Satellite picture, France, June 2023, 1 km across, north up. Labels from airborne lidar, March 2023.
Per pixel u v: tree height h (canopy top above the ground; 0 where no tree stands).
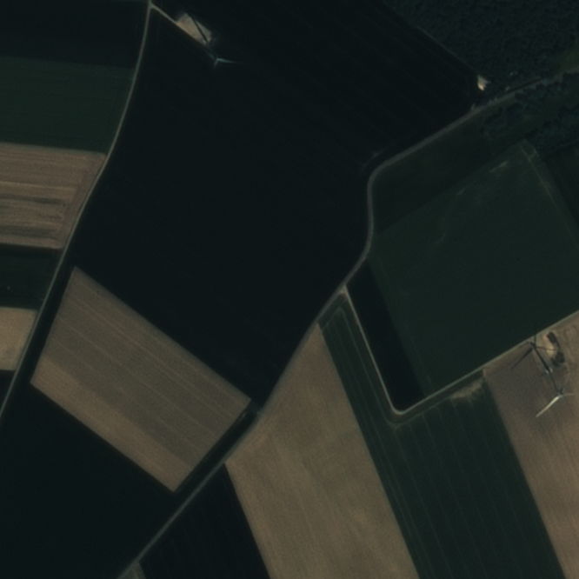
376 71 0
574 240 0
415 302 0
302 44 0
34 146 0
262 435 0
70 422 0
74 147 0
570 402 0
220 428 0
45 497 0
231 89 0
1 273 0
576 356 0
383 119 0
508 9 21
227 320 0
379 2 0
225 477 0
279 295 0
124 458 0
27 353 0
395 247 0
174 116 0
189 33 0
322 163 0
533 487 0
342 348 0
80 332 0
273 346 0
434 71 0
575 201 0
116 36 0
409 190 0
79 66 0
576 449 0
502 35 20
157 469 0
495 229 0
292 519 0
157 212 0
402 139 0
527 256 0
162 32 0
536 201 0
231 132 0
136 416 0
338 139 0
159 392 0
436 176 0
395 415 0
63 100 0
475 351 0
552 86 10
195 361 0
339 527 0
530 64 16
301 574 0
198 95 0
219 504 0
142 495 0
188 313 0
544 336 0
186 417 0
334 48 0
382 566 0
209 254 0
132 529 0
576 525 0
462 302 0
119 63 0
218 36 0
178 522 0
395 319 0
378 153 0
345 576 0
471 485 0
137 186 0
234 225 0
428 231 0
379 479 0
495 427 0
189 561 0
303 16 0
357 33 0
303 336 0
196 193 0
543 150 7
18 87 0
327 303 0
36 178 0
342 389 0
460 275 0
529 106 15
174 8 0
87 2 0
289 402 0
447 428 0
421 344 0
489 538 0
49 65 0
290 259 0
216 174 0
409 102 0
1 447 0
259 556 0
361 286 0
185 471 0
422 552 0
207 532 0
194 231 0
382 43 0
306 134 0
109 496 0
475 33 22
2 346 0
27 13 0
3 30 0
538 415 0
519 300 0
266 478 0
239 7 0
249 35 0
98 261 0
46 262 0
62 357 0
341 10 0
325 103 0
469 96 0
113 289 0
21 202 0
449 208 0
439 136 0
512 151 0
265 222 0
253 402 0
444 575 0
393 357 0
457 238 0
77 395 0
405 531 0
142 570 0
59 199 0
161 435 0
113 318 0
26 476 0
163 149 0
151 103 0
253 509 0
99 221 0
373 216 0
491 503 0
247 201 0
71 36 0
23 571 0
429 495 0
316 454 0
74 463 0
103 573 0
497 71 18
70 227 0
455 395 0
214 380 0
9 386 0
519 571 0
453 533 0
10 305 0
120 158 0
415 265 0
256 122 0
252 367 0
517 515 0
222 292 0
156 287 0
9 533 0
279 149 0
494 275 0
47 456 0
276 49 0
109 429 0
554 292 0
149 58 0
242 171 0
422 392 0
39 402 0
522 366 0
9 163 0
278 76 0
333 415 0
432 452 0
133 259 0
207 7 0
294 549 0
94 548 0
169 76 0
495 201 0
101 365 0
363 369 0
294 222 0
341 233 0
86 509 0
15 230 0
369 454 0
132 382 0
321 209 0
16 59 0
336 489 0
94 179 0
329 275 0
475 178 0
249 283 0
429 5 24
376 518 0
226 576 0
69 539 0
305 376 0
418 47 0
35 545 0
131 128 0
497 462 0
